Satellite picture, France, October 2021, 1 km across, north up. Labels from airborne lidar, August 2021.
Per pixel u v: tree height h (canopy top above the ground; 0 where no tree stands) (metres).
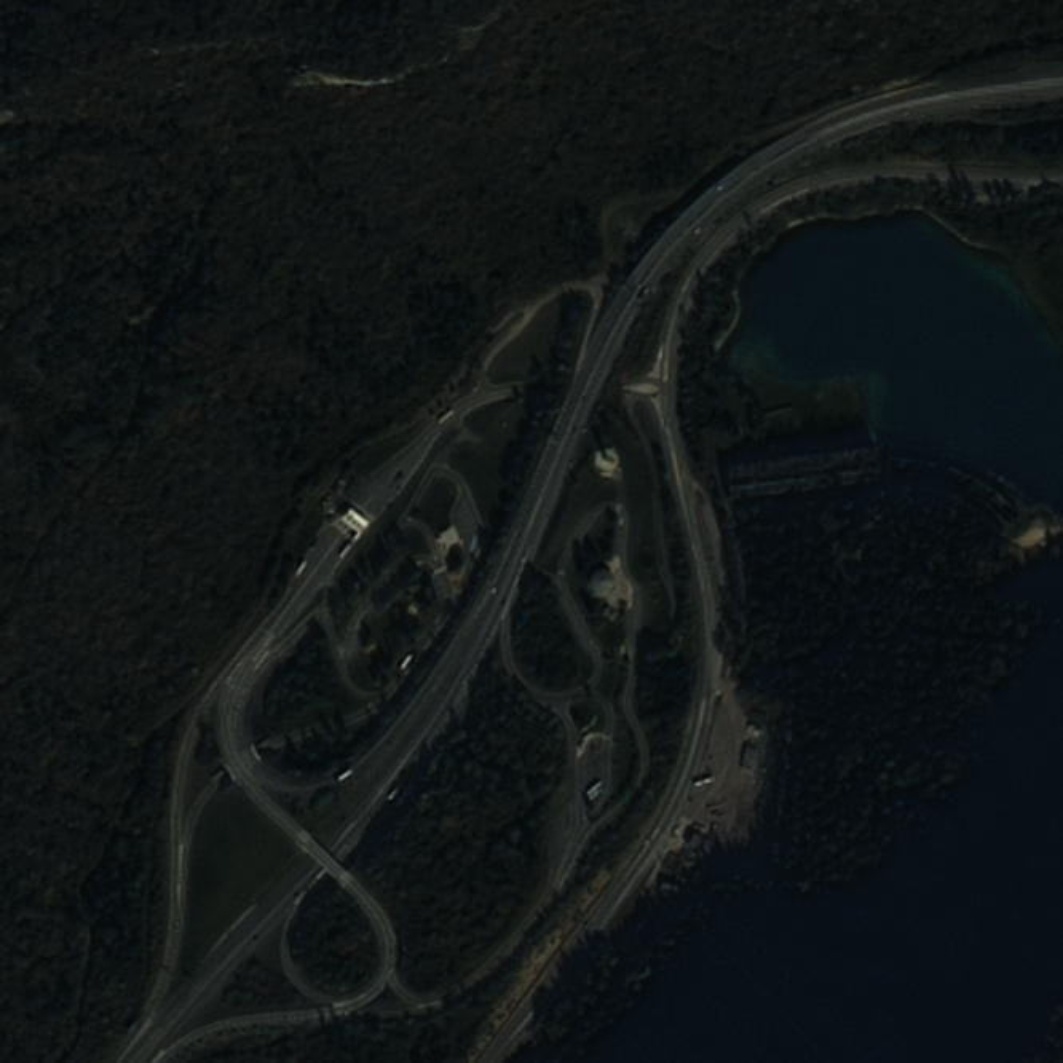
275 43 34
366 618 0
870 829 14
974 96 0
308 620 0
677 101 14
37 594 20
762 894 14
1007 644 16
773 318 0
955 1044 17
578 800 0
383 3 11
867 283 0
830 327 0
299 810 6
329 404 23
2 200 9
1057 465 0
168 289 14
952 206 6
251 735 0
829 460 21
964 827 21
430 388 10
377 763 0
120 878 8
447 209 12
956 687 26
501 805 14
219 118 15
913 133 9
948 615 23
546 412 9
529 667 8
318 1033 7
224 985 0
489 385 0
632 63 16
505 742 8
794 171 12
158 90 11
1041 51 20
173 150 21
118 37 21
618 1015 12
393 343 19
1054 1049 18
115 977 6
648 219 0
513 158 11
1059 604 9
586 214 19
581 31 8
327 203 17
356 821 0
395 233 24
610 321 0
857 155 17
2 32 17
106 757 17
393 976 0
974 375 0
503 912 8
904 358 0
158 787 13
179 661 16
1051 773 25
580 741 0
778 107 18
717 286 13
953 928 10
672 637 11
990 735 18
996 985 30
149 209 15
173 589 18
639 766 6
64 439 22
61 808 25
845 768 16
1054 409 0
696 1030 12
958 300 0
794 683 8
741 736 0
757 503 12
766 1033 14
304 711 12
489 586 0
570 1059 10
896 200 19
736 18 16
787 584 16
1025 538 0
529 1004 0
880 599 21
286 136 21
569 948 0
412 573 11
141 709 9
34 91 12
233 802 0
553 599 11
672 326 0
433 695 0
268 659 0
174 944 0
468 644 0
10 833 15
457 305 12
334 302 17
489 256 9
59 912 20
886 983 21
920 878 14
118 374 21
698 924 26
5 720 20
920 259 0
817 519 13
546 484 0
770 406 0
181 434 15
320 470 10
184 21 14
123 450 20
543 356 0
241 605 12
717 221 6
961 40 21
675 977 24
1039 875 25
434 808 14
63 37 19
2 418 10
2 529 20
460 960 10
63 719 20
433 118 19
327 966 11
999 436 0
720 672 0
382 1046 13
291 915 0
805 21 20
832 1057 10
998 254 0
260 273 24
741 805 0
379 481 0
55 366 19
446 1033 15
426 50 10
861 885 23
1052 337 0
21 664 20
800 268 0
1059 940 24
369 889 0
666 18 16
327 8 15
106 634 17
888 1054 11
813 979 21
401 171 17
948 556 6
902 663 18
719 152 9
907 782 20
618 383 16
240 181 22
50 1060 8
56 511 9
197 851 0
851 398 0
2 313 13
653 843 0
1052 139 20
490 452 0
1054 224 11
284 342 19
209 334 28
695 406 8
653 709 9
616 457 0
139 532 20
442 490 0
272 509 12
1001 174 0
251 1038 7
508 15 13
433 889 9
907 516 18
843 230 0
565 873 0
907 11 17
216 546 24
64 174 15
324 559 0
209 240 7
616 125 11
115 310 17
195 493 21
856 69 23
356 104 17
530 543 0
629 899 0
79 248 17
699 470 17
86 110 15
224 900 0
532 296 9
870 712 20
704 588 0
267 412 16
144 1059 0
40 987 10
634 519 0
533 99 15
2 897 19
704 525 0
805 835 17
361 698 0
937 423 0
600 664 0
